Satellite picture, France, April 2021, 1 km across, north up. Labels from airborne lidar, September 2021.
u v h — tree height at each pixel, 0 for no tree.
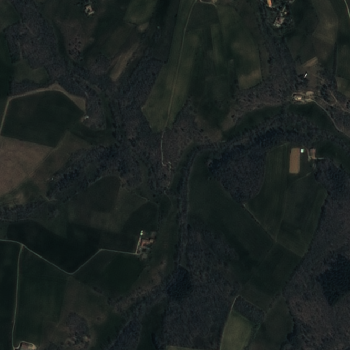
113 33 0
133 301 12
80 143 0
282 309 0
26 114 0
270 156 0
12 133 0
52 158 0
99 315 0
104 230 0
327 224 15
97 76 9
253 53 0
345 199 13
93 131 0
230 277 0
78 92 9
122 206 0
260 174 18
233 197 15
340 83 0
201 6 0
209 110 0
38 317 0
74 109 0
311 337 12
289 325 0
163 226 0
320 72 8
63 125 0
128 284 0
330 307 19
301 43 0
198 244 17
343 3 0
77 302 0
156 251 0
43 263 0
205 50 0
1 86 0
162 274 12
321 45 0
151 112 0
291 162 0
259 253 0
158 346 15
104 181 0
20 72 0
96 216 0
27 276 0
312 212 0
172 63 0
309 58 0
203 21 0
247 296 0
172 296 18
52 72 9
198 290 15
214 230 0
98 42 0
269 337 0
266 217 0
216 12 0
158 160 8
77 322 17
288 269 0
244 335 0
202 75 0
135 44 0
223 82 0
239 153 21
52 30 19
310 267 13
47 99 0
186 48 0
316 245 12
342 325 17
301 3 0
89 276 0
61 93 0
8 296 0
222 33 0
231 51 0
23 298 0
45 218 0
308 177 0
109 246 0
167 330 14
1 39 0
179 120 8
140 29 0
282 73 10
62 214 0
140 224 0
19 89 9
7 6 0
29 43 10
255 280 0
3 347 0
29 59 10
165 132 6
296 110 0
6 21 0
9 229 0
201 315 17
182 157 10
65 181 19
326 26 0
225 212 0
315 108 0
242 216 0
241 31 0
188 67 0
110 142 0
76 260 0
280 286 0
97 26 0
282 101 13
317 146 0
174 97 0
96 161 17
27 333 0
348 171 0
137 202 0
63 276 0
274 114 9
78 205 0
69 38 0
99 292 14
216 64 0
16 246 0
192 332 19
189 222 0
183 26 0
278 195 0
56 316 0
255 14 7
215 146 17
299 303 13
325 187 8
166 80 0
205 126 0
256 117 0
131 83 6
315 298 15
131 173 17
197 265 10
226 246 12
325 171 9
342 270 28
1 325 0
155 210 0
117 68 0
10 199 0
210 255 11
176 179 0
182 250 17
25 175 0
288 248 0
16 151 0
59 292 0
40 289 0
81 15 0
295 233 0
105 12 0
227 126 0
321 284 20
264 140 16
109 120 0
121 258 0
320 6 0
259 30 9
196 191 0
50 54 10
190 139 16
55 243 0
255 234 0
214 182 0
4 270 0
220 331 10
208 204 0
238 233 0
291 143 11
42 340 0
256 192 10
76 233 0
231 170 19
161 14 0
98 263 0
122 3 0
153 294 19
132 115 11
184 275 17
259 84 6
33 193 0
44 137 0
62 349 14
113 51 0
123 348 15
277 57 14
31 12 11
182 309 21
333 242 11
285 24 12
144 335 0
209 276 12
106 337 0
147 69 10
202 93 0
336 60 7
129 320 26
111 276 0
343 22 0
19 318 0
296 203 0
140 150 10
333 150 0
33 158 0
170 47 0
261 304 0
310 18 0
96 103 10
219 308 10
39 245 0
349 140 0
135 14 0
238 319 0
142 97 11
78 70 20
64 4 0
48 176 0
